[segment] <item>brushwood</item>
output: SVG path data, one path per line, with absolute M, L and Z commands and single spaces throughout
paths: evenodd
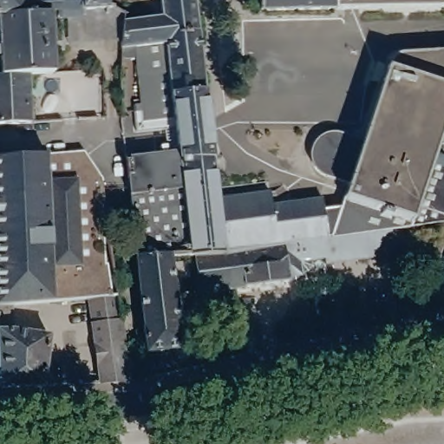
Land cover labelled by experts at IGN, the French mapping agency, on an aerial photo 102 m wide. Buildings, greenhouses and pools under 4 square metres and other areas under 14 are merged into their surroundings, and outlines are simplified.
M 101 109 L 106 109 L 106 94 L 109 92 L 109 82 L 101 66 L 94 75 L 99 76 L 101 85 Z
M 331 16 L 335 10 L 293 9 L 291 5 L 286 5 L 288 9 L 277 10 L 277 7 L 271 5 L 262 5 L 258 12 L 262 16 Z
M 434 31 L 442 31 L 441 28 L 444 26 L 444 9 L 411 14 L 383 10 L 361 12 L 361 23 L 369 23 L 371 26 L 404 24 L 406 17 L 411 21 L 428 24 Z
M 222 170 L 220 173 L 222 189 L 265 184 L 265 173 L 251 172 L 238 175 Z
M 196 7 L 201 40 L 210 43 L 212 31 L 210 21 L 201 10 L 201 5 Z

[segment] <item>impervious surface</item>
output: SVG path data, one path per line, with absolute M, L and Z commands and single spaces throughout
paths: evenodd
M 108 184 L 106 193 L 92 198 L 92 219 L 94 222 L 97 219 L 106 219 L 114 210 L 127 208 L 135 212 L 137 208 L 130 194 L 128 156 L 132 153 L 158 151 L 163 142 L 170 144 L 170 128 L 151 132 L 151 135 L 146 137 L 137 132 L 135 108 L 140 104 L 139 69 L 134 57 L 123 57 L 123 38 L 68 42 L 66 36 L 64 36 L 64 38 L 61 38 L 61 40 L 57 42 L 59 47 L 62 49 L 66 64 L 78 59 L 80 66 L 94 55 L 101 61 L 101 66 L 109 82 L 113 80 L 111 66 L 123 66 L 121 88 L 123 104 L 128 106 L 127 116 L 118 116 L 109 92 L 106 94 L 106 109 L 101 109 L 101 85 L 99 76 L 94 75 L 87 76 L 80 71 L 57 71 L 54 68 L 43 68 L 40 75 L 31 75 L 31 92 L 35 101 L 35 111 L 38 113 L 35 125 L 0 125 L 0 156 L 12 151 L 47 149 L 47 153 L 54 153 L 87 149 L 101 168 Z
M 423 321 L 430 321 L 432 330 L 444 336 L 444 291 L 435 291 L 428 304 L 418 305 L 409 298 L 397 297 L 392 290 L 392 283 L 385 279 L 388 269 L 395 260 L 404 257 L 408 251 L 434 257 L 439 251 L 432 243 L 416 238 L 408 229 L 388 232 L 382 239 L 380 248 L 375 251 L 375 257 L 357 258 L 343 264 L 335 251 L 335 258 L 331 262 L 328 262 L 328 258 L 304 260 L 302 267 L 298 269 L 302 274 L 298 279 L 290 274 L 286 279 L 272 279 L 239 286 L 236 291 L 243 297 L 241 305 L 245 305 L 248 310 L 248 342 L 243 349 L 222 350 L 217 359 L 208 361 L 184 352 L 187 324 L 193 321 L 191 317 L 198 314 L 199 307 L 205 304 L 205 300 L 224 300 L 234 291 L 222 281 L 222 277 L 198 272 L 196 258 L 175 257 L 175 267 L 180 269 L 179 290 L 175 291 L 177 307 L 180 309 L 177 330 L 179 349 L 149 350 L 147 350 L 146 354 L 139 354 L 139 352 L 134 352 L 134 350 L 130 349 L 130 347 L 128 347 L 127 349 L 123 354 L 125 382 L 116 383 L 111 387 L 108 382 L 99 382 L 97 345 L 94 342 L 92 323 L 125 317 L 123 326 L 128 330 L 127 336 L 128 338 L 135 338 L 135 340 L 137 340 L 137 338 L 140 338 L 142 342 L 147 342 L 142 317 L 144 298 L 140 297 L 137 260 L 134 257 L 130 258 L 130 272 L 134 279 L 132 288 L 130 291 L 116 291 L 114 297 L 118 298 L 120 309 L 116 309 L 111 316 L 102 316 L 102 312 L 92 316 L 87 300 L 71 305 L 52 304 L 52 309 L 45 310 L 40 316 L 36 310 L 28 309 L 14 309 L 10 310 L 9 314 L 0 314 L 0 326 L 16 324 L 23 328 L 38 328 L 43 324 L 45 330 L 52 333 L 50 340 L 57 345 L 50 364 L 43 362 L 31 371 L 0 369 L 0 399 L 5 401 L 9 397 L 19 395 L 31 397 L 33 394 L 49 394 L 57 397 L 68 394 L 69 401 L 82 404 L 87 392 L 92 392 L 94 387 L 104 394 L 113 392 L 116 404 L 123 409 L 123 416 L 127 420 L 127 432 L 121 434 L 121 444 L 149 444 L 147 415 L 154 411 L 154 397 L 163 394 L 165 390 L 193 387 L 194 383 L 210 382 L 213 378 L 225 380 L 227 376 L 248 376 L 251 369 L 255 368 L 274 369 L 277 359 L 286 354 L 297 359 L 298 356 L 319 356 L 323 350 L 335 350 L 340 354 L 364 352 L 368 347 L 375 345 L 378 336 L 385 335 L 388 324 L 404 335 L 404 331 L 413 330 Z M 342 288 L 336 293 L 314 298 L 297 297 L 298 288 L 302 284 L 312 283 L 314 277 L 328 276 L 343 279 Z
M 316 175 L 310 175 L 288 161 L 279 160 L 276 154 L 262 151 L 260 147 L 248 142 L 248 135 L 269 134 L 271 130 L 293 130 L 295 134 L 305 135 L 314 142 L 317 135 L 323 134 L 326 130 L 343 130 L 357 134 L 359 142 L 364 144 L 390 62 L 399 59 L 401 49 L 444 47 L 444 26 L 441 28 L 442 31 L 434 31 L 428 24 L 411 21 L 406 17 L 404 24 L 371 26 L 369 23 L 361 23 L 361 12 L 335 10 L 331 16 L 262 16 L 258 12 L 262 5 L 262 0 L 201 0 L 201 5 L 201 10 L 210 21 L 215 16 L 227 16 L 231 10 L 238 14 L 239 26 L 236 35 L 220 36 L 219 33 L 212 31 L 210 43 L 201 40 L 194 40 L 194 43 L 203 49 L 206 85 L 213 97 L 212 113 L 217 116 L 217 140 L 208 144 L 212 147 L 212 156 L 217 161 L 215 170 L 220 173 L 222 170 L 238 175 L 251 172 L 265 173 L 265 184 L 222 189 L 222 194 L 239 194 L 267 189 L 271 191 L 272 196 L 276 196 L 277 201 L 310 198 L 317 193 L 324 193 L 326 205 L 340 205 L 343 196 L 349 191 L 343 186 L 336 186 L 333 173 L 323 172 L 319 168 Z M 248 62 L 251 59 L 257 62 L 257 71 L 255 76 L 246 82 L 250 92 L 241 99 L 231 99 L 227 92 L 243 83 L 241 76 L 234 69 L 241 62 Z
M 401 420 L 383 418 L 383 421 L 390 425 L 385 432 L 376 434 L 359 428 L 354 437 L 330 435 L 323 444 L 444 444 L 444 408 L 442 415 L 439 416 L 430 415 L 430 409 L 420 409 L 418 415 L 404 416 Z

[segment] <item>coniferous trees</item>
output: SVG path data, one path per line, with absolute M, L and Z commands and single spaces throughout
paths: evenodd
M 215 16 L 210 21 L 212 31 L 219 33 L 220 36 L 236 35 L 239 26 L 238 14 L 231 10 L 227 16 Z
M 257 62 L 251 59 L 248 62 L 241 62 L 234 69 L 241 76 L 243 83 L 227 92 L 231 99 L 241 99 L 250 92 L 246 82 L 255 76 L 257 71 Z

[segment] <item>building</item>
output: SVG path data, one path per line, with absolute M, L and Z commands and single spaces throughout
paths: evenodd
M 125 382 L 123 354 L 127 349 L 127 345 L 125 345 L 125 338 L 127 338 L 127 336 L 128 330 L 123 326 L 125 317 L 92 323 L 94 342 L 97 345 L 99 382 L 108 382 L 111 387 L 116 383 Z
M 277 7 L 277 10 L 288 9 L 286 5 L 291 5 L 293 9 L 335 10 L 361 12 L 383 10 L 411 14 L 444 9 L 444 0 L 262 0 L 262 5 L 271 5 Z
M 147 345 L 149 345 L 149 350 L 179 349 L 177 330 L 180 309 L 177 307 L 175 291 L 179 290 L 180 269 L 175 267 L 175 257 L 196 258 L 198 272 L 222 277 L 222 281 L 234 291 L 236 291 L 239 286 L 272 279 L 286 279 L 290 274 L 298 279 L 302 274 L 298 269 L 302 267 L 304 260 L 328 258 L 328 262 L 331 262 L 335 258 L 335 251 L 343 264 L 357 258 L 375 257 L 375 251 L 380 248 L 382 239 L 388 232 L 408 229 L 415 225 L 444 222 L 444 47 L 401 49 L 399 59 L 390 62 L 364 144 L 359 142 L 357 134 L 343 130 L 326 130 L 323 134 L 317 135 L 314 142 L 307 156 L 319 168 L 323 172 L 333 173 L 336 186 L 343 186 L 349 191 L 343 196 L 340 205 L 326 205 L 324 193 L 317 193 L 310 198 L 277 201 L 276 196 L 272 196 L 271 191 L 267 189 L 239 194 L 222 194 L 222 189 L 220 173 L 215 170 L 217 161 L 212 156 L 212 147 L 208 144 L 217 140 L 217 116 L 212 113 L 213 97 L 206 85 L 203 49 L 194 43 L 194 40 L 201 40 L 196 7 L 201 5 L 201 0 L 161 0 L 161 12 L 128 16 L 127 10 L 116 7 L 113 0 L 0 0 L 0 125 L 35 125 L 38 113 L 35 111 L 35 101 L 31 92 L 31 75 L 40 75 L 43 68 L 54 68 L 59 47 L 57 42 L 55 42 L 55 17 L 59 16 L 61 17 L 61 19 L 68 19 L 69 33 L 68 36 L 66 36 L 68 42 L 123 38 L 123 57 L 134 57 L 139 69 L 140 104 L 135 108 L 137 132 L 146 137 L 151 135 L 151 132 L 170 128 L 170 144 L 163 142 L 158 151 L 132 153 L 128 156 L 130 194 L 137 208 L 146 217 L 146 232 L 149 236 L 134 257 L 137 260 L 140 297 L 144 298 L 142 317 L 147 342 Z
M 50 340 L 52 333 L 45 330 L 43 324 L 38 328 L 23 328 L 16 324 L 0 326 L 0 369 L 31 371 L 43 362 L 50 364 L 57 345 Z
M 47 153 L 47 149 L 12 151 L 0 156 L 0 314 L 9 314 L 10 310 L 14 309 L 28 309 L 36 310 L 40 316 L 45 310 L 52 309 L 52 304 L 71 305 L 87 300 L 92 316 L 102 312 L 102 316 L 111 316 L 116 309 L 120 309 L 118 298 L 114 297 L 116 291 L 111 276 L 111 269 L 114 267 L 113 253 L 111 246 L 106 243 L 108 238 L 101 234 L 102 229 L 106 227 L 106 219 L 97 219 L 94 222 L 92 219 L 92 198 L 106 193 L 108 184 L 101 168 L 87 149 L 54 153 Z

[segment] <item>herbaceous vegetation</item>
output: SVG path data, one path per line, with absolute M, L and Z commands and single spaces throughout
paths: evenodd
M 127 10 L 128 16 L 161 12 L 161 0 L 113 0 L 116 7 Z
M 279 160 L 288 161 L 310 175 L 316 175 L 319 168 L 307 156 L 314 142 L 305 135 L 295 134 L 293 130 L 271 130 L 269 134 L 248 135 L 248 142 L 260 147 L 262 151 L 276 154 Z
M 59 16 L 55 17 L 55 42 L 57 42 L 61 40 L 61 38 L 64 38 L 64 36 L 66 36 L 68 36 L 69 33 L 68 19 L 61 19 L 61 17 Z
M 66 64 L 62 49 L 59 47 L 54 68 L 57 71 L 80 71 L 80 66 L 78 59 Z

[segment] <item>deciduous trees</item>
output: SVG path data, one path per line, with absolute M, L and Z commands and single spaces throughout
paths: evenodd
M 128 106 L 123 104 L 121 88 L 123 66 L 111 66 L 113 80 L 109 82 L 109 92 L 118 116 L 127 116 Z
M 125 338 L 125 345 L 127 345 L 127 349 L 128 347 L 130 347 L 130 349 L 134 350 L 134 352 L 139 352 L 139 354 L 146 354 L 147 350 L 149 350 L 149 345 L 147 345 L 147 342 L 142 342 L 140 338 L 137 338 L 137 340 L 135 340 L 135 338 L 128 338 L 127 336 L 127 338 Z
M 298 288 L 297 297 L 314 298 L 336 293 L 342 288 L 343 279 L 328 276 L 314 277 L 312 283 L 302 284 Z
M 127 420 L 123 416 L 123 409 L 116 404 L 113 392 L 104 394 L 94 387 L 92 392 L 87 392 L 82 404 L 69 401 L 68 394 L 57 397 L 49 394 L 33 394 L 31 397 L 19 395 L 9 397 L 5 401 L 0 399 L 0 444 L 121 444 L 121 434 L 127 432 Z
M 222 350 L 243 349 L 248 342 L 248 310 L 245 305 L 241 305 L 243 297 L 236 291 L 234 291 L 224 300 L 205 300 L 205 304 L 199 307 L 198 314 L 191 317 L 193 321 L 187 324 L 184 352 L 208 361 L 217 359 Z
M 439 251 L 434 257 L 408 251 L 404 257 L 395 260 L 388 269 L 385 279 L 392 283 L 392 290 L 397 297 L 409 298 L 418 305 L 428 304 L 435 291 L 444 291 L 444 222 L 415 225 L 408 229 L 416 238 L 432 243 Z
M 87 76 L 94 75 L 101 66 L 101 61 L 94 55 L 80 66 L 80 71 Z
M 134 257 L 149 236 L 146 232 L 146 217 L 137 208 L 135 212 L 127 208 L 114 210 L 106 219 L 106 227 L 102 229 L 101 234 L 108 238 L 106 243 L 111 246 L 113 253 L 114 267 L 111 269 L 111 276 L 116 291 L 130 291 L 132 288 L 134 279 L 130 272 L 130 258 Z
M 225 380 L 213 378 L 210 382 L 194 383 L 193 387 L 165 390 L 163 394 L 154 397 L 154 411 L 147 415 L 149 444 L 323 444 L 330 435 L 354 437 L 359 428 L 376 434 L 385 432 L 390 425 L 383 421 L 383 418 L 401 420 L 404 416 L 418 415 L 420 409 L 430 409 L 430 415 L 439 416 L 442 415 L 444 408 L 444 336 L 432 330 L 430 321 L 423 321 L 413 330 L 404 331 L 404 335 L 388 324 L 385 335 L 378 336 L 375 345 L 368 347 L 364 352 L 340 354 L 335 350 L 323 350 L 319 356 L 298 356 L 297 359 L 286 354 L 277 359 L 274 369 L 255 368 L 251 369 L 248 376 L 227 376 Z

